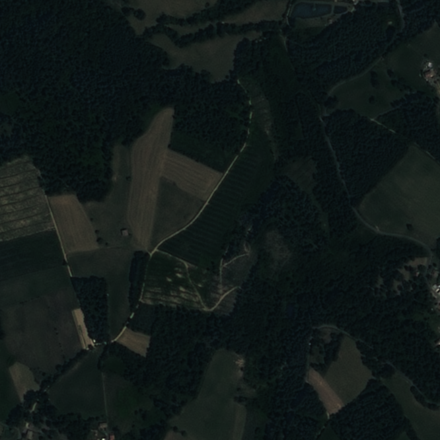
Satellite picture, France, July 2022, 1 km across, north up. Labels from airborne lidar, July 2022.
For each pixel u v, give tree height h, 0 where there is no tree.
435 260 0
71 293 0
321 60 21
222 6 15
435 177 0
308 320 22
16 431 0
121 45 20
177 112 9
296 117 14
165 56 8
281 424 14
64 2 28
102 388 0
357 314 17
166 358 15
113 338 0
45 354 0
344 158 16
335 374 0
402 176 0
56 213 0
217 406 0
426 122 28
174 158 0
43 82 26
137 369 22
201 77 14
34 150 23
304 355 25
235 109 13
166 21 21
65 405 0
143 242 0
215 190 0
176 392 20
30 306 0
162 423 10
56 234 0
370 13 21
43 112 11
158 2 0
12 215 0
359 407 20
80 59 20
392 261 13
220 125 20
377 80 15
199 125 10
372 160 21
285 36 9
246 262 0
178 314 21
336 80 30
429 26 18
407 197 0
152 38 15
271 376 13
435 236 0
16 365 0
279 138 12
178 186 0
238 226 6
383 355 17
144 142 0
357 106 0
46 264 0
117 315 0
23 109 7
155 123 0
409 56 0
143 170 0
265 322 21
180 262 0
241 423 0
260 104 0
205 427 0
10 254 0
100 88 30
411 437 11
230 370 0
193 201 0
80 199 21
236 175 0
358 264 7
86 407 0
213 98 22
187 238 0
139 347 0
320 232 13
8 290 0
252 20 0
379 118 7
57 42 21
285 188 22
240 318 18
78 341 0
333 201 20
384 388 24
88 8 19
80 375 0
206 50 0
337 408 0
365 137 21
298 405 30
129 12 26
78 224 0
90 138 16
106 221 0
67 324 0
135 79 17
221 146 6
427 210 0
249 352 21
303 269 10
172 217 0
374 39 22
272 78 8
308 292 9
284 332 16
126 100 25
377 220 0
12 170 0
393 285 6
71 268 0
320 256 7
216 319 26
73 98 20
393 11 8
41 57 21
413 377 18
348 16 15
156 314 14
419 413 0
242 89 22
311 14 0
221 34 20
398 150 22
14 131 11
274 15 0
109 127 21
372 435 24
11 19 15
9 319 0
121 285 0
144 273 20
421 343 16
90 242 0
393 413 22
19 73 23
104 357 16
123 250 0
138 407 0
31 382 0
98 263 0
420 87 0
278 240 0
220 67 0
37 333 0
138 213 0
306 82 18
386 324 11
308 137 8
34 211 0
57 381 11
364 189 19
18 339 0
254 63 15
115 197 0
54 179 13
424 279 17
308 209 34
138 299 14
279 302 16
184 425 0
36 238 0
